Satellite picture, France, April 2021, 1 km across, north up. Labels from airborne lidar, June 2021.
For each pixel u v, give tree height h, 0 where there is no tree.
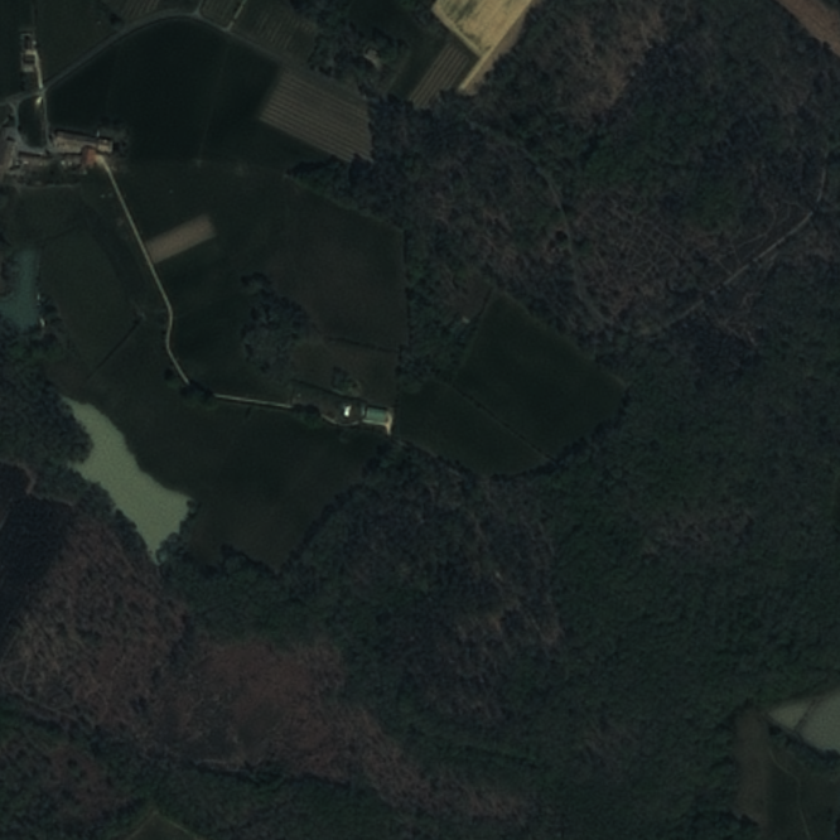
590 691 18
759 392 17
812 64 14
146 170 0
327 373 0
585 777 25
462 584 26
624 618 24
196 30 0
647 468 22
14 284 9
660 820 16
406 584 17
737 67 21
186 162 0
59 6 0
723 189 23
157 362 0
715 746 23
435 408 0
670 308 6
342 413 11
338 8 19
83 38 0
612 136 14
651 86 27
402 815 14
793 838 0
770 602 19
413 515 9
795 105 12
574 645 20
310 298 0
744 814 0
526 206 27
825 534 20
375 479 17
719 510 13
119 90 0
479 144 17
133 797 8
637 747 21
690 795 24
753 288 7
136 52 0
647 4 17
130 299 0
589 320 20
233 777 12
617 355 11
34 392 14
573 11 23
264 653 7
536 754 19
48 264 0
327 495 0
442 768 15
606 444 19
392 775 14
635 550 23
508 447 0
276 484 0
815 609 22
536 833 19
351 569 14
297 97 0
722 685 27
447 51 0
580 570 22
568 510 23
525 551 23
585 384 0
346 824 16
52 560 8
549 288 19
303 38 0
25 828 16
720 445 24
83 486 18
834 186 14
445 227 11
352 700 18
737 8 21
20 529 7
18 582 8
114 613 0
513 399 0
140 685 6
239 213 0
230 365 0
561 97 21
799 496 19
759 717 0
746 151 25
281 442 0
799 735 0
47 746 15
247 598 26
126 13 0
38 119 0
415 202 16
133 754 7
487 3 0
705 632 27
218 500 0
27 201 0
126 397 0
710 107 24
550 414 0
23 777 9
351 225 0
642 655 24
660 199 11
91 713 0
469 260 9
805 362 20
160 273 0
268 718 0
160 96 0
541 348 0
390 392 0
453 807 14
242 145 0
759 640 20
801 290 19
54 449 20
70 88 0
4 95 0
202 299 0
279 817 11
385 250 0
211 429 0
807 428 19
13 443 25
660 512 18
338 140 0
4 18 0
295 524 0
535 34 21
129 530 25
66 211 0
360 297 0
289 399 0
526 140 12
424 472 15
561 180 14
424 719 28
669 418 22
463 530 20
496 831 16
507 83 20
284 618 24
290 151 0
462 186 22
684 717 24
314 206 0
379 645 20
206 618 20
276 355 12
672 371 20
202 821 14
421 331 16
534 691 15
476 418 0
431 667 24
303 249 0
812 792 0
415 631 18
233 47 0
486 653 16
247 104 0
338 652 14
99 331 0
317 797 18
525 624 18
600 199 9
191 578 26
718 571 15
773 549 22
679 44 19
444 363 9
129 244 0
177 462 0
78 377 0
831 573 18
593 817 20
